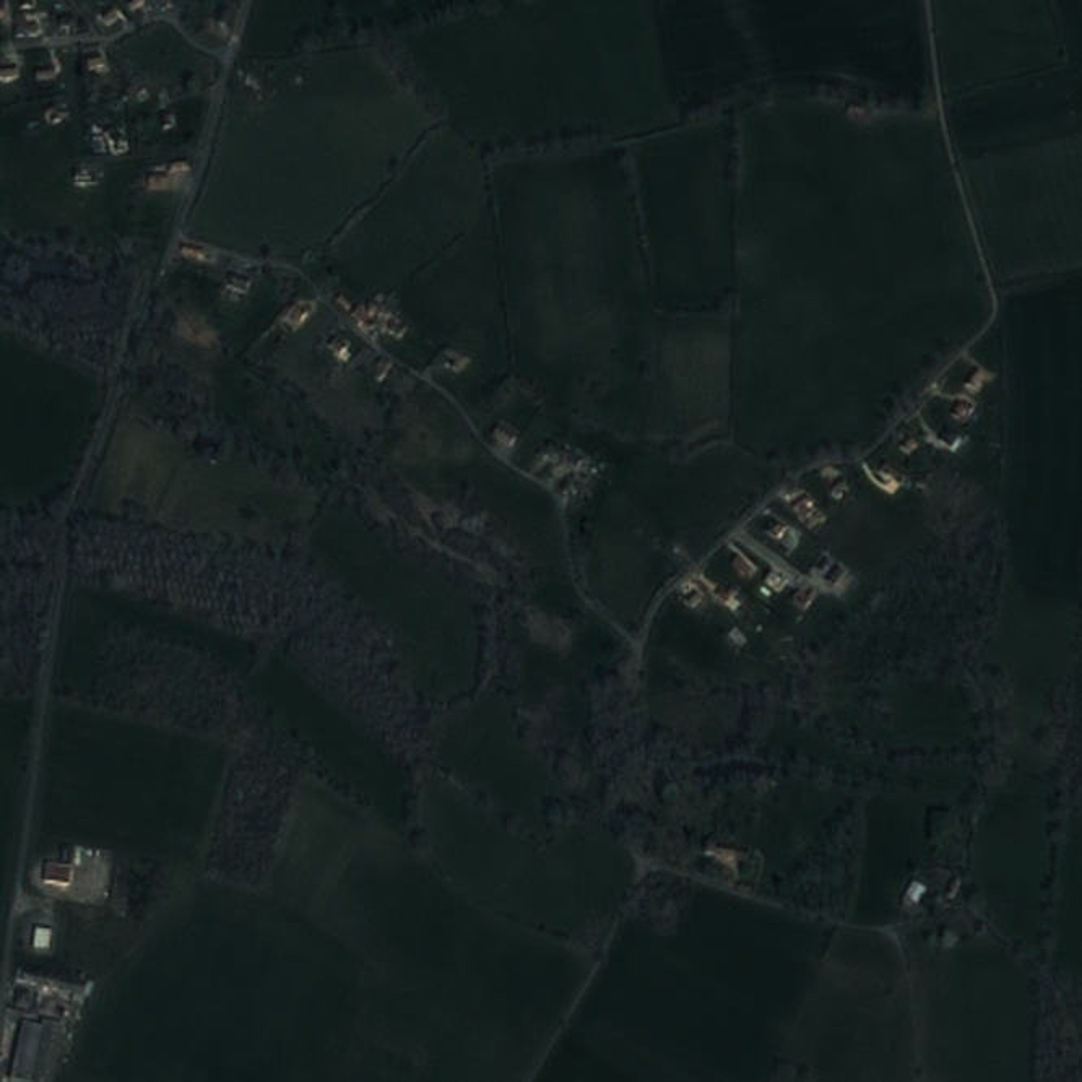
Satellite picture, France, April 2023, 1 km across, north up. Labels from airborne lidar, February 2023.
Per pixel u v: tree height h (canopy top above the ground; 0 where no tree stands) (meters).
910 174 0
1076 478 0
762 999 0
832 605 0
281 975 0
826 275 0
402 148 0
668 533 0
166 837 0
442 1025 0
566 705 0
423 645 0
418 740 7
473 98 0
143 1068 0
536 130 0
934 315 0
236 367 0
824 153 0
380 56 18
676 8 0
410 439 0
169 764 0
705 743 0
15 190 0
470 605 0
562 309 0
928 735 0
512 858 0
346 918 0
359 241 0
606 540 0
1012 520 0
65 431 0
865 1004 0
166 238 0
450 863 0
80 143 0
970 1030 0
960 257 0
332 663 6
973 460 0
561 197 0
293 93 0
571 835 0
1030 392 0
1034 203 0
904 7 0
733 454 0
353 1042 0
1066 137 0
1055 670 0
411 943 0
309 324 0
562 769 19
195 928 0
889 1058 0
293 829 0
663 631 0
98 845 0
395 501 18
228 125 0
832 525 0
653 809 0
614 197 0
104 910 0
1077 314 0
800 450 0
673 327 0
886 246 0
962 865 7
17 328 25
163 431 0
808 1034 0
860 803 12
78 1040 0
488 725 0
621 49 0
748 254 0
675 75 0
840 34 0
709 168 0
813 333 0
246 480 0
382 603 0
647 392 0
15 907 0
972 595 20
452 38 0
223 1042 0
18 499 0
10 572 23
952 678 17
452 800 0
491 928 0
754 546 0
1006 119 0
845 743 10
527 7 19
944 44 0
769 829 0
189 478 0
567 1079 0
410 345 0
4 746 0
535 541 0
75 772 0
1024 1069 0
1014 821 0
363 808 11
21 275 15
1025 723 0
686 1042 0
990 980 0
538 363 0
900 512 0
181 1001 0
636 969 0
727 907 0
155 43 0
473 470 0
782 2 0
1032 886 0
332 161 0
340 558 0
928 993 0
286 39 0
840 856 22
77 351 22
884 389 0
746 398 0
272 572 10
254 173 0
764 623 0
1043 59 0
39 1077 0
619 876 0
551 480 0
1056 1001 17
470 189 0
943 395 0
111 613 0
